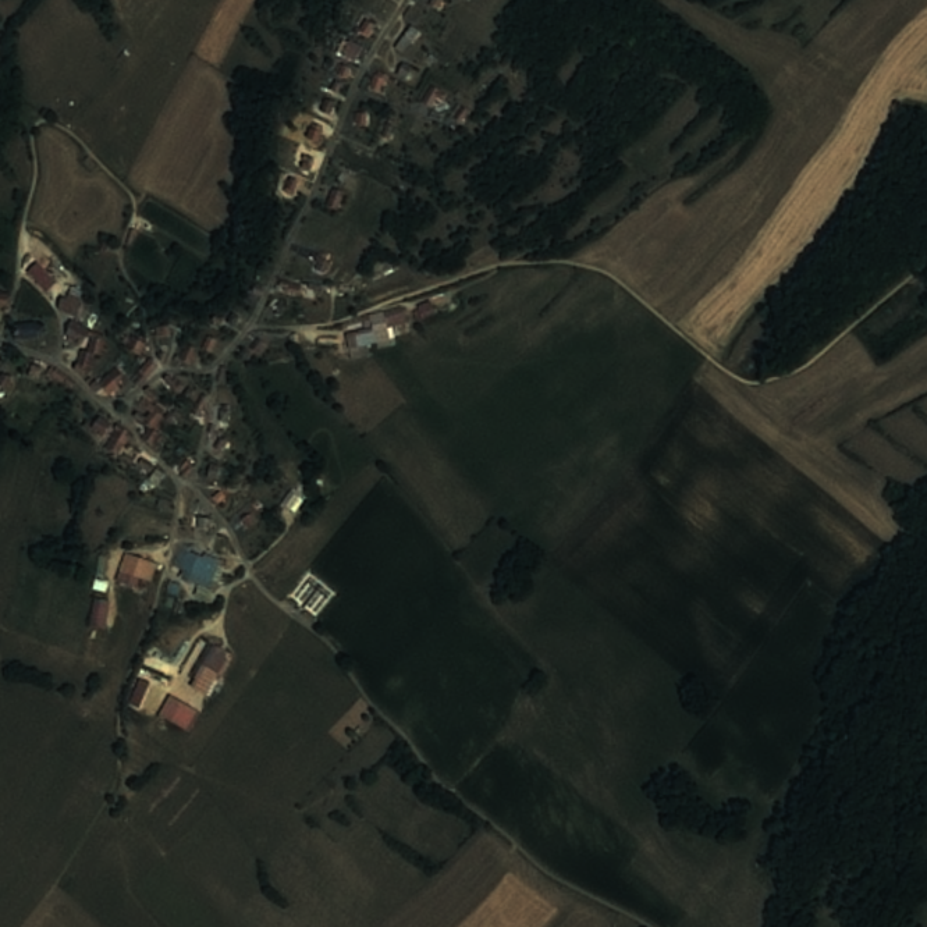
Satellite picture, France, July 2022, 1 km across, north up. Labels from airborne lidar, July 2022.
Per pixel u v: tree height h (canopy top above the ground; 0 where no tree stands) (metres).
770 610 0
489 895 0
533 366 0
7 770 0
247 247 22
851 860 20
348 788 10
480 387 0
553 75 9
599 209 0
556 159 8
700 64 16
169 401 7
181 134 0
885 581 18
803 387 0
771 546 0
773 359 20
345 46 0
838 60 0
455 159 12
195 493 0
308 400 0
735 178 0
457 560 8
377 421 0
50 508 0
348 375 0
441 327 0
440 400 0
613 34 13
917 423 0
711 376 0
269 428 0
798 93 0
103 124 0
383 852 0
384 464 9
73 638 0
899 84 0
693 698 19
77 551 16
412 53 0
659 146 0
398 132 0
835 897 18
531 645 0
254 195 20
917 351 0
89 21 0
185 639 0
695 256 0
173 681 0
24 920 0
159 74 0
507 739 0
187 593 0
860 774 23
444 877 0
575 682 0
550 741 0
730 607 0
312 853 0
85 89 0
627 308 0
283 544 0
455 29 0
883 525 0
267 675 0
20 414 0
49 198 0
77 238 0
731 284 0
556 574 0
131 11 0
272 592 0
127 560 0
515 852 0
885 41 0
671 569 0
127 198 0
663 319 0
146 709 0
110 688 0
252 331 0
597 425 0
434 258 12
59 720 0
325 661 0
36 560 18
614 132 9
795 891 18
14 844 0
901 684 22
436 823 0
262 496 0
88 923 0
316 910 0
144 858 0
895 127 17
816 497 0
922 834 13
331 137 0
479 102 10
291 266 0
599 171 10
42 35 0
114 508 0
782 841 18
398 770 7
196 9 0
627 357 0
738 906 0
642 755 0
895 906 18
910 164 24
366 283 0
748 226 0
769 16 0
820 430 0
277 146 0
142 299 6
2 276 14
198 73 0
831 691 19
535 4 15
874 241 19
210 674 0
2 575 0
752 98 21
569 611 0
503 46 10
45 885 0
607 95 6
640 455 0
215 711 0
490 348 0
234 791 0
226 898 0
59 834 0
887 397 0
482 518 0
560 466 0
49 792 0
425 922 0
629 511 0
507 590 14
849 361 0
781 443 0
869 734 17
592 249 0
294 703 0
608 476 0
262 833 0
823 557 0
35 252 0
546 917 0
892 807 13
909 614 22
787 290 18
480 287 0
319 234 0
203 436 0
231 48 0
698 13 0
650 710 0
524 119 14
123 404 11
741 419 0
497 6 0
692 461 0
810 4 0
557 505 0
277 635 0
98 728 0
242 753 0
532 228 8
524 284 0
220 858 0
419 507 0
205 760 0
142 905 0
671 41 20
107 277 0
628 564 0
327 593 0
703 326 0
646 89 7
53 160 0
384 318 0
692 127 9
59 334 0
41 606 0
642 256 0
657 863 0
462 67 8
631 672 0
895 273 16
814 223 0
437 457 0
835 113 0
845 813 22
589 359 0
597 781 0
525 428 0
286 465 0
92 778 0
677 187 0
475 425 0
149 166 0
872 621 20
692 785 17
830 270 20
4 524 0
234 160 11
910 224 19
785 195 0
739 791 0
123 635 0
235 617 0
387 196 0
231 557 0
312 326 0
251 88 14
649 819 0
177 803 0
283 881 0
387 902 0
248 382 0
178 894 0
